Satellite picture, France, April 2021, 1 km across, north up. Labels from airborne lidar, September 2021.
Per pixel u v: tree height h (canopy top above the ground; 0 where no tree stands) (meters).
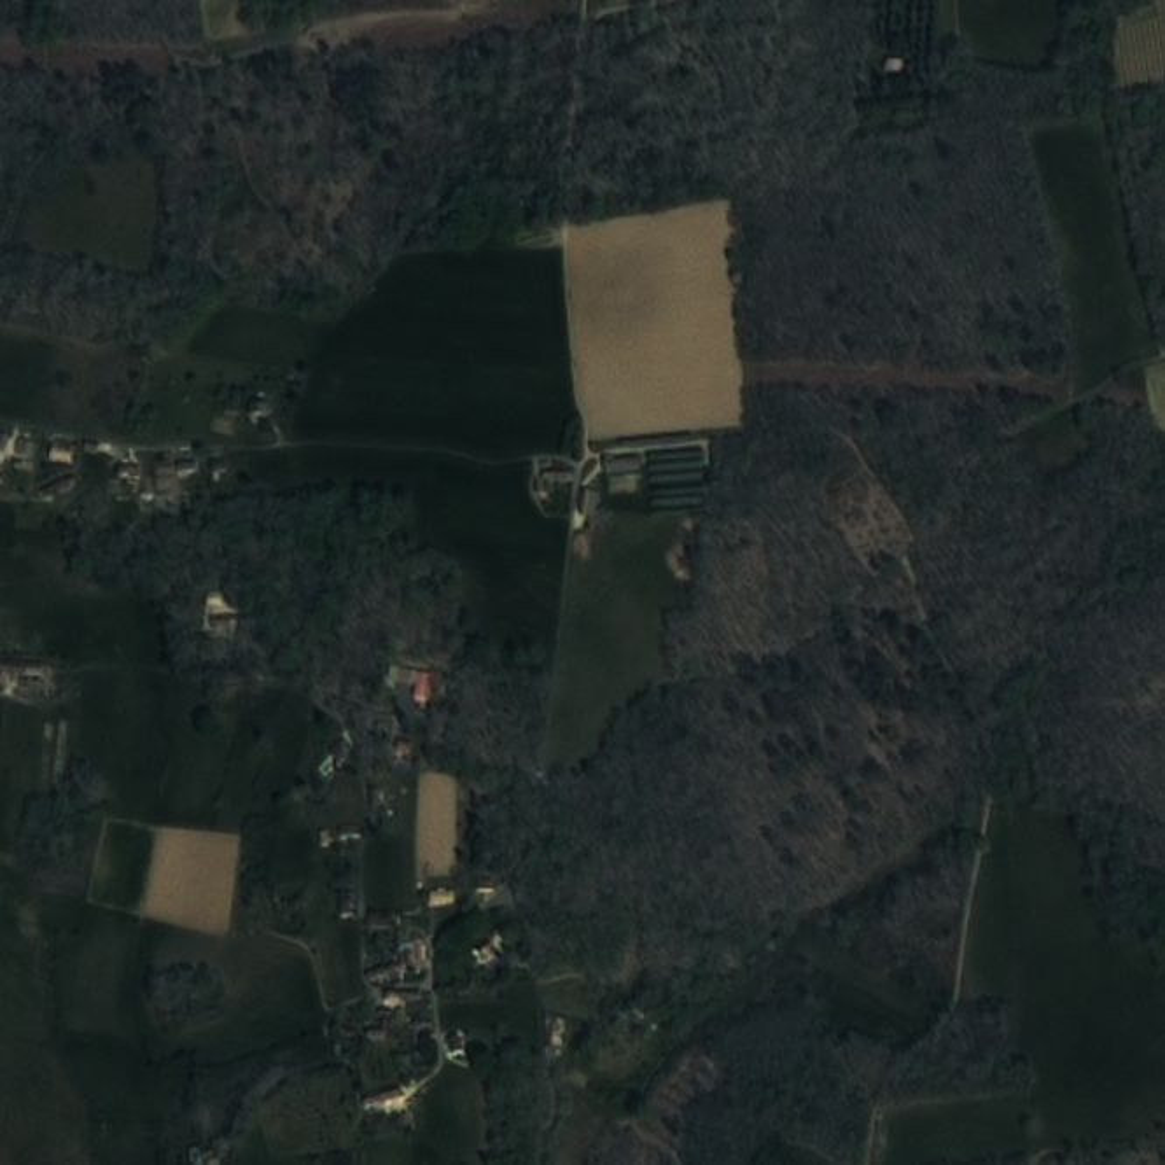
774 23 12
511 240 15
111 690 0
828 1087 17
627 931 22
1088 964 0
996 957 0
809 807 16
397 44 0
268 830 7
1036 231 21
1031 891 0
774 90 22
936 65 22
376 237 10
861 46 14
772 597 14
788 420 16
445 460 0
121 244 0
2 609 0
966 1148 0
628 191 10
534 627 0
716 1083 15
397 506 16
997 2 0
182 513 11
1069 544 20
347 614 21
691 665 20
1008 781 25
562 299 0
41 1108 0
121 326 15
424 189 9
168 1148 8
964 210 16
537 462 0
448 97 13
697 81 14
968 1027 14
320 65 17
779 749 12
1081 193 0
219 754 0
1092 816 21
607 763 15
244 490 15
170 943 0
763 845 15
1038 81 17
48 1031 0
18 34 13
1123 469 17
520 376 0
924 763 25
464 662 10
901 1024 0
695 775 20
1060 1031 0
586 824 20
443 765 17
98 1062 0
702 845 14
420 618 18
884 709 25
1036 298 16
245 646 17
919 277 22
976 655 17
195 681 21
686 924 11
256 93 7
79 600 0
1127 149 19
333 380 0
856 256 13
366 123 21
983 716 20
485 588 0
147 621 0
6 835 0
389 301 0
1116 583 18
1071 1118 0
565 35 13
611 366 0
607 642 0
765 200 18
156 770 0
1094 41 17
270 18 18
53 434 0
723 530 22
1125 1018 0
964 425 22
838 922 6
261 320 0
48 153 13
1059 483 21
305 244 18
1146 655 18
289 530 24
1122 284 0
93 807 17
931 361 20
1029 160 14
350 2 6
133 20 15
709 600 18
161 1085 0
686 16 14
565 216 17
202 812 0
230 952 0
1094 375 0
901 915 16
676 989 22
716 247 0
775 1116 20
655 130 19
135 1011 0
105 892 0
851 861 21
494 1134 13
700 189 17
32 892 0
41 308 14
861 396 9
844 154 17
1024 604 14
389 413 0
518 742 16
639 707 12
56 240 0
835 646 13
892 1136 0
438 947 11
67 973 0
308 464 0
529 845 19
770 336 11
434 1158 0
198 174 7
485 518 0
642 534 0
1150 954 17
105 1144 0
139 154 15
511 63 17
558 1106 17
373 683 15
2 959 0
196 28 12
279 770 0
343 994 0
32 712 0
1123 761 22
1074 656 21
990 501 21
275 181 14
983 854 13
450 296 0
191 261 11
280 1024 0
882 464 19
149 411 7
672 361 0
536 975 14
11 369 0
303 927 9
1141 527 19
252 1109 16
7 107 21
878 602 15
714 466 12
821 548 17
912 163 14
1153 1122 0
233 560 22
